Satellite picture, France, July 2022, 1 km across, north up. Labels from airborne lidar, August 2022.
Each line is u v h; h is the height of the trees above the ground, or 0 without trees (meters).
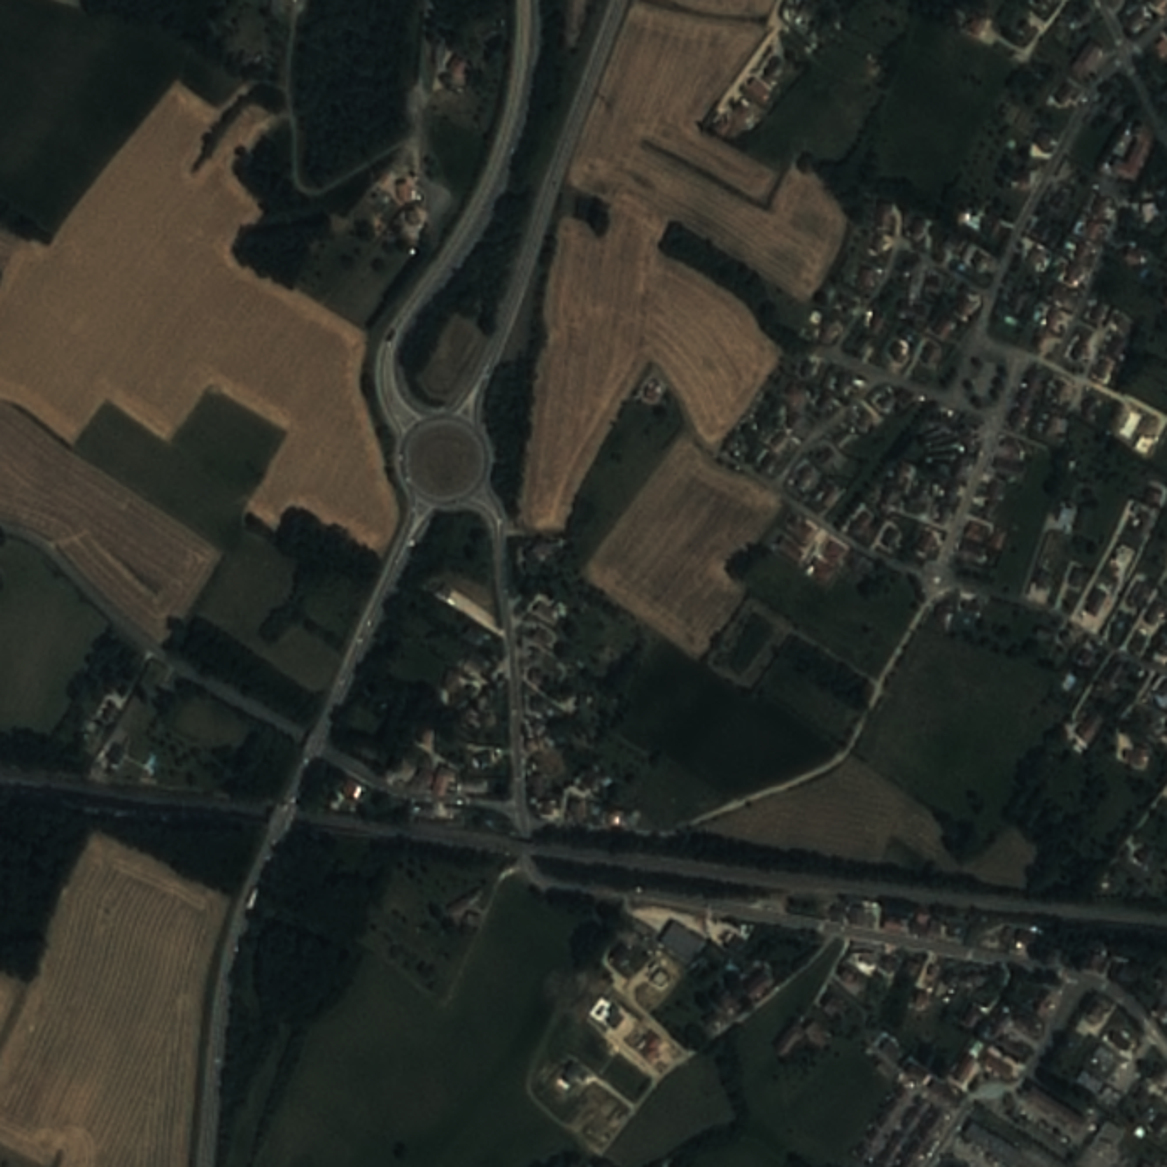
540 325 5
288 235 18
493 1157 0
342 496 0
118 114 0
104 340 0
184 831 21
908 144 0
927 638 0
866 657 0
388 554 0
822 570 0
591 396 0
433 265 0
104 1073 0
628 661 15
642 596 0
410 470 0
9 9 0
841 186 7
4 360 0
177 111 0
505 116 0
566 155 0
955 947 0
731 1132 6
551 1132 0
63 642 0
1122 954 7
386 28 11
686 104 0
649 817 0
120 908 0
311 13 8
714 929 0
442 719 18
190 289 0
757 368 0
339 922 18
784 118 0
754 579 0
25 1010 0
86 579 0
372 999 0
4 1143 0
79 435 0
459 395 0
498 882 0
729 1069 6
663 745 0
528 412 10
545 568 6
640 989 0
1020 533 0
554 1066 0
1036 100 7
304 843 21
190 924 0
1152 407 0
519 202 10
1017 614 6
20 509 0
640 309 0
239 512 0
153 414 0
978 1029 9
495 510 0
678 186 0
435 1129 0
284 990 21
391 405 0
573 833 13
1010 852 0
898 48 7
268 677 6
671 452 0
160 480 0
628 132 0
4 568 0
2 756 18
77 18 0
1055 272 6
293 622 9
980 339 0
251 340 0
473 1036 0
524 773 0
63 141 0
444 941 0
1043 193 0
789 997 0
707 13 0
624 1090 0
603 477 0
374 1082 0
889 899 10
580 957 20
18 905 22
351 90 13
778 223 0
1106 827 0
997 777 0
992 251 6
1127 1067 0
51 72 0
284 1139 0
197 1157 0
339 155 10
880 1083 0
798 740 0
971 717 0
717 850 15
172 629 15
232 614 0
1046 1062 11
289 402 0
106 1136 0
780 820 0
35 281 0
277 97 8
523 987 0
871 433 7
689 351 0
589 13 9
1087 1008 7
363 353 0
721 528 0
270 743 11
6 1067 0
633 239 0
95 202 0
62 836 19
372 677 5
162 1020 0
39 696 0
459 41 12
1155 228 12
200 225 0
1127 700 9
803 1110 0
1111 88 5
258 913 16
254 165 11
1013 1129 5
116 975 0
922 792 0
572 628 17
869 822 0
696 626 0
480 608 0
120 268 0
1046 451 0
